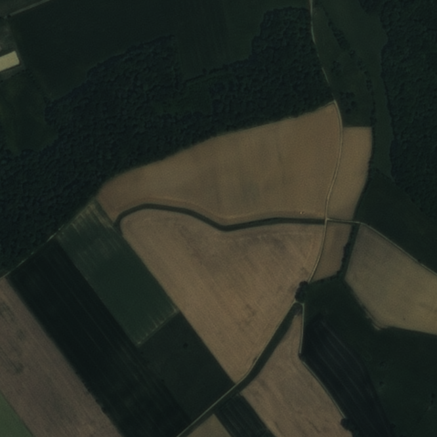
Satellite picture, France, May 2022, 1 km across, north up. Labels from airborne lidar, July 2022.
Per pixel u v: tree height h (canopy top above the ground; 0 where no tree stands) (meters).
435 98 24
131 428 0
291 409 0
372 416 0
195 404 0
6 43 0
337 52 0
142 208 0
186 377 0
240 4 0
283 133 0
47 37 0
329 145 0
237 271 0
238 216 0
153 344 0
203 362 0
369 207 0
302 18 21
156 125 26
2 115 0
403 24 17
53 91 0
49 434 0
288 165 0
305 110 15
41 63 0
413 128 24
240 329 0
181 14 0
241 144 0
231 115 27
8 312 0
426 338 0
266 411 0
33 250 18
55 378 0
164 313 0
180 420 0
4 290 0
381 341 0
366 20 0
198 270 0
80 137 21
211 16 0
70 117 23
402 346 0
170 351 0
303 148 0
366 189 7
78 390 0
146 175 0
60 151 27
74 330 0
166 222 0
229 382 0
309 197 0
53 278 0
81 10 0
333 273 0
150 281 0
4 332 0
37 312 0
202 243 0
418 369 0
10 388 0
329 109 0
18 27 0
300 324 0
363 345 0
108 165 25
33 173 23
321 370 0
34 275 0
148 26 0
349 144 0
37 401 0
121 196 0
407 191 19
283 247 0
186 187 0
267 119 12
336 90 0
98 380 0
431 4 17
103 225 0
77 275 0
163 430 0
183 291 0
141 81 26
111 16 0
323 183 0
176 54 15
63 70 0
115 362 0
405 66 22
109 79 20
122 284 0
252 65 24
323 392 0
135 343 0
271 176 0
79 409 0
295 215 0
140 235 0
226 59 0
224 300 0
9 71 0
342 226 0
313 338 0
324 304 0
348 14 0
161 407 0
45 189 26
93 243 0
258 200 0
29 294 0
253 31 0
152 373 0
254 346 0
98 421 0
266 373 0
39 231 21
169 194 0
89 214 0
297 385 0
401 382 0
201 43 0
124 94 27
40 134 0
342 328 0
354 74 0
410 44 22
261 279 0
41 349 0
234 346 0
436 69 12
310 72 28
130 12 0
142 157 24
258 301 0
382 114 0
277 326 0
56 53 0
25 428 0
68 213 24
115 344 0
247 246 0
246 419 0
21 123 0
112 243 0
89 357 0
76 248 0
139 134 23
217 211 0
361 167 0
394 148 20
